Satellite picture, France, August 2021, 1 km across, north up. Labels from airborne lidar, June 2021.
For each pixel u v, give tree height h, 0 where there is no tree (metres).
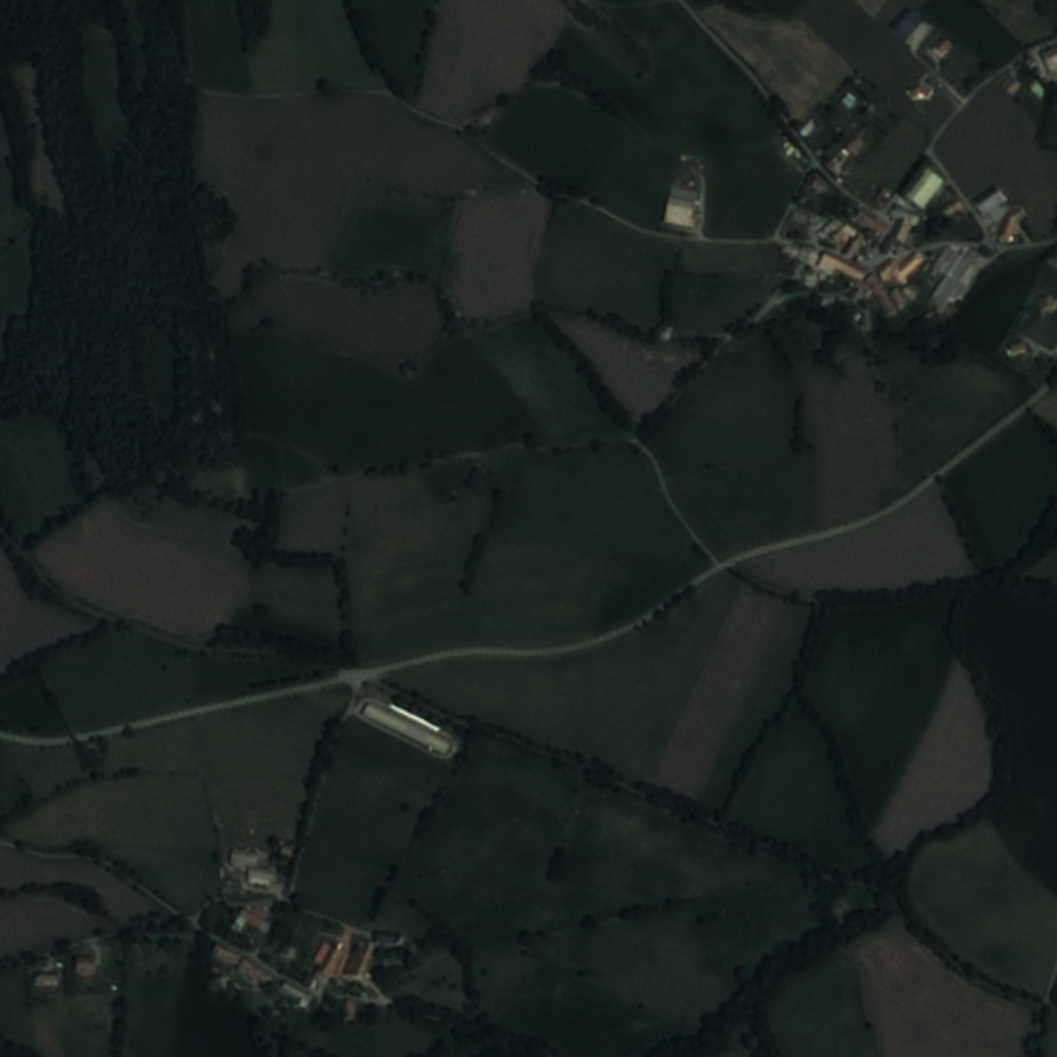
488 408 0
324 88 13
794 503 0
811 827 0
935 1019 0
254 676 0
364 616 0
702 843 0
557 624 0
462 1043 9
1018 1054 0
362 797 0
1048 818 0
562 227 0
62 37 23
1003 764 17
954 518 11
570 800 0
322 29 0
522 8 0
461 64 0
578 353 7
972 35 0
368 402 0
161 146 20
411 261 0
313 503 0
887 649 0
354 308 0
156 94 17
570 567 0
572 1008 0
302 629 0
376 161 0
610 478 0
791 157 0
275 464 0
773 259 0
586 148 0
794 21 0
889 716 0
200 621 0
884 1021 0
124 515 0
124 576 0
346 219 0
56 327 23
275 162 0
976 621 0
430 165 0
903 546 0
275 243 0
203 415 11
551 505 0
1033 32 0
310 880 0
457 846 0
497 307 0
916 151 0
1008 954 0
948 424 0
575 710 0
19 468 0
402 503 0
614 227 0
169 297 20
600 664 0
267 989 15
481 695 0
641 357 0
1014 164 0
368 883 0
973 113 0
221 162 0
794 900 0
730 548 0
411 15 0
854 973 0
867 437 0
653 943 0
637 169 0
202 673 0
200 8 0
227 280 0
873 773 0
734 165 0
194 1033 0
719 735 0
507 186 0
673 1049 15
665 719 0
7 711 0
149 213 20
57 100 20
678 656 0
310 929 0
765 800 0
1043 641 0
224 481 0
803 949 13
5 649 0
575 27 0
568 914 0
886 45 0
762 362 0
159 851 0
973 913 0
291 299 0
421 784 0
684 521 0
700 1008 0
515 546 0
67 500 0
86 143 22
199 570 0
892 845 0
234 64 0
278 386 0
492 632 0
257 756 0
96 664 0
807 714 10
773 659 0
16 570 8
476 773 0
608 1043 0
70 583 0
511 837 0
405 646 0
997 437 0
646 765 0
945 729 0
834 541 0
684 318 0
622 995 0
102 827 0
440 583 0
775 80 0
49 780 0
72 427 14
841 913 0
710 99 0
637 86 0
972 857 0
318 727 0
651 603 0
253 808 0
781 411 0
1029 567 7
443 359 0
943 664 0
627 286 0
